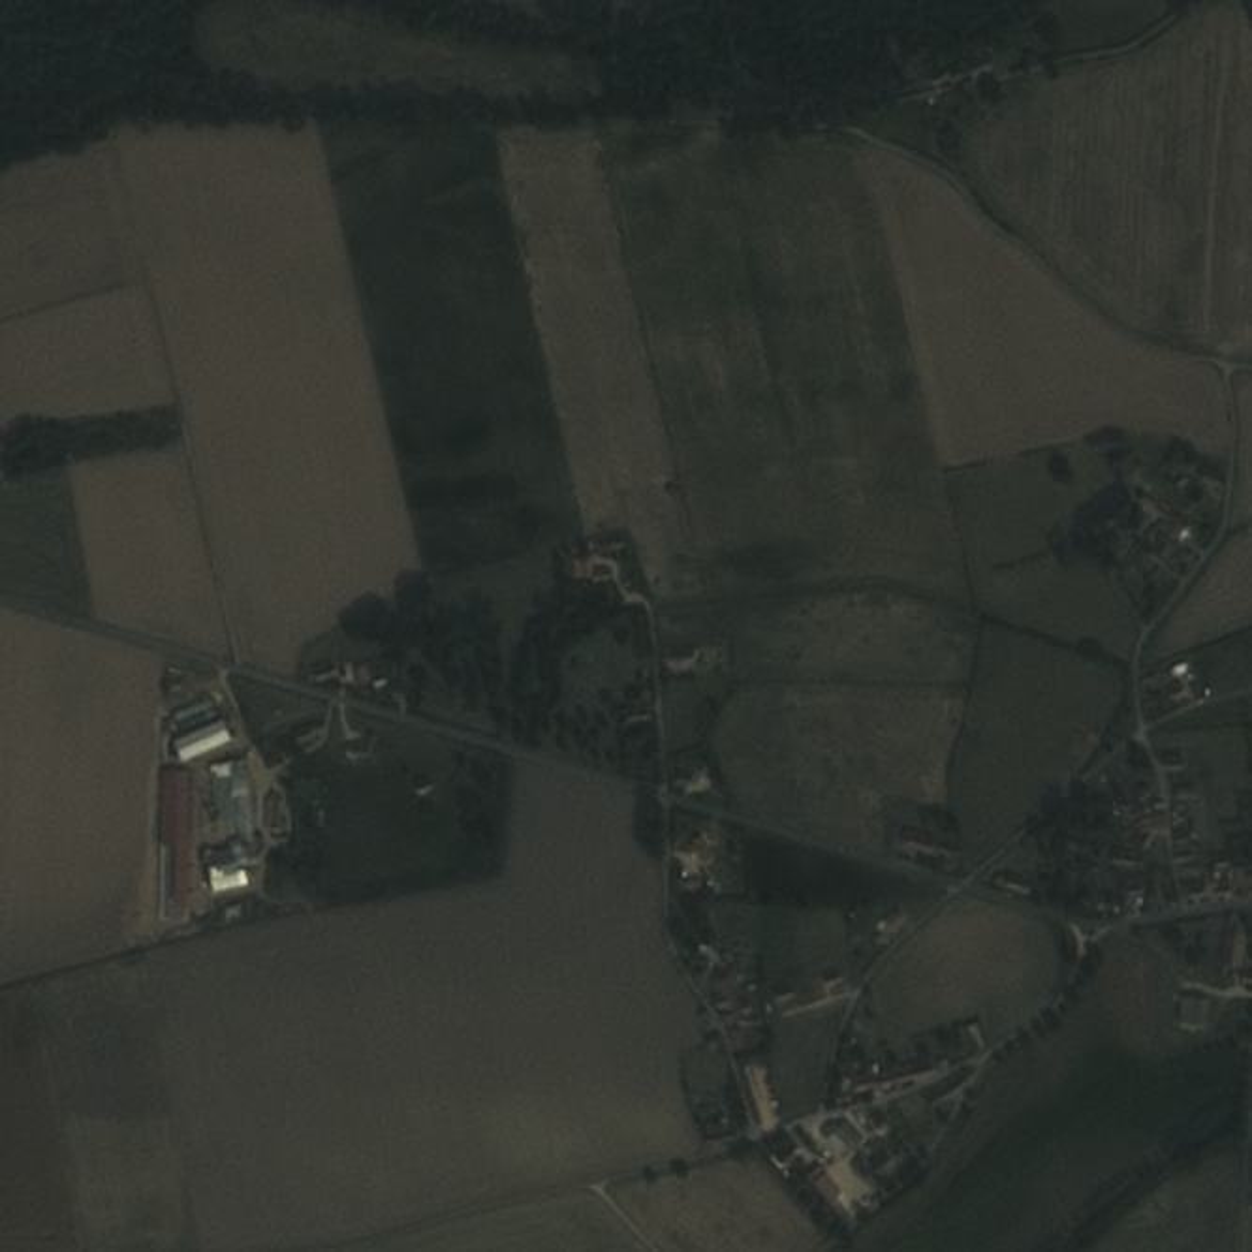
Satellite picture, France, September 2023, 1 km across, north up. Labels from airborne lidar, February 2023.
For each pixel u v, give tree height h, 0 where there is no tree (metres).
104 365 0
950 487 0
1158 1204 0
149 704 0
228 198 0
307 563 0
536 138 0
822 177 0
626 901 0
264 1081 0
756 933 0
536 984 0
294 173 0
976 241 0
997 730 0
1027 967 0
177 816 0
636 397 0
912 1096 0
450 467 0
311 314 0
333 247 0
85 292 0
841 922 0
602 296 0
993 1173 0
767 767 0
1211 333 0
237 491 0
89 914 0
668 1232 0
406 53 0
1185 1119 0
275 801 0
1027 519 0
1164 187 0
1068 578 0
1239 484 0
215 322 0
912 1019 0
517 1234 0
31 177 0
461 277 0
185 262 0
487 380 0
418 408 0
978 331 0
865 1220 17
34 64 21
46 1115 0
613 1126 0
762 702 0
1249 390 0
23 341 0
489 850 0
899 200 0
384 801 0
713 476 0
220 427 0
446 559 0
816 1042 0
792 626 0
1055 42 8
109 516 0
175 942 25
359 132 0
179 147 0
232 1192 0
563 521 0
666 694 0
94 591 0
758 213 0
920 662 0
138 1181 0
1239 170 0
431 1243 0
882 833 0
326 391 0
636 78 18
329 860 0
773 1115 0
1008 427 0
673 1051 0
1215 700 0
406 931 0
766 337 0
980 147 0
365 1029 0
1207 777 0
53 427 8
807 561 0
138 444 0
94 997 0
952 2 19
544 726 13
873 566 0
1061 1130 0
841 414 0
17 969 0
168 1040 0
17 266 0
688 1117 0
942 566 0
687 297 0
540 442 0
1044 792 0
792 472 0
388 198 0
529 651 8
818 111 22
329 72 0
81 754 0
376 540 0
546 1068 0
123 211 0
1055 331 0
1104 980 0
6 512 0
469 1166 0
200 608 0
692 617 0
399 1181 0
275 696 0
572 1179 0
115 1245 0
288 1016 0
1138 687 0
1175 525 0
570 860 0
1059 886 7
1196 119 0
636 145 0
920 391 0
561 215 0
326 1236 0
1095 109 0
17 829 0
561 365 0
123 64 17
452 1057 0
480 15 16
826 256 0
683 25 19
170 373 0
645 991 0
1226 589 0
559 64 0
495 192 0
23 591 0
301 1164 0
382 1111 0
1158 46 0
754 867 0
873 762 0
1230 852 7
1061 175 0
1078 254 0
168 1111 0
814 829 0
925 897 0
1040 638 0
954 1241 0
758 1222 0
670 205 0
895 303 0
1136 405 0
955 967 0
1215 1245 0
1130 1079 0
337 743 0
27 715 0
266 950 0
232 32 0
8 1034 0
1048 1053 0
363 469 0
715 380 0
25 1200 0
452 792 0
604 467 0
